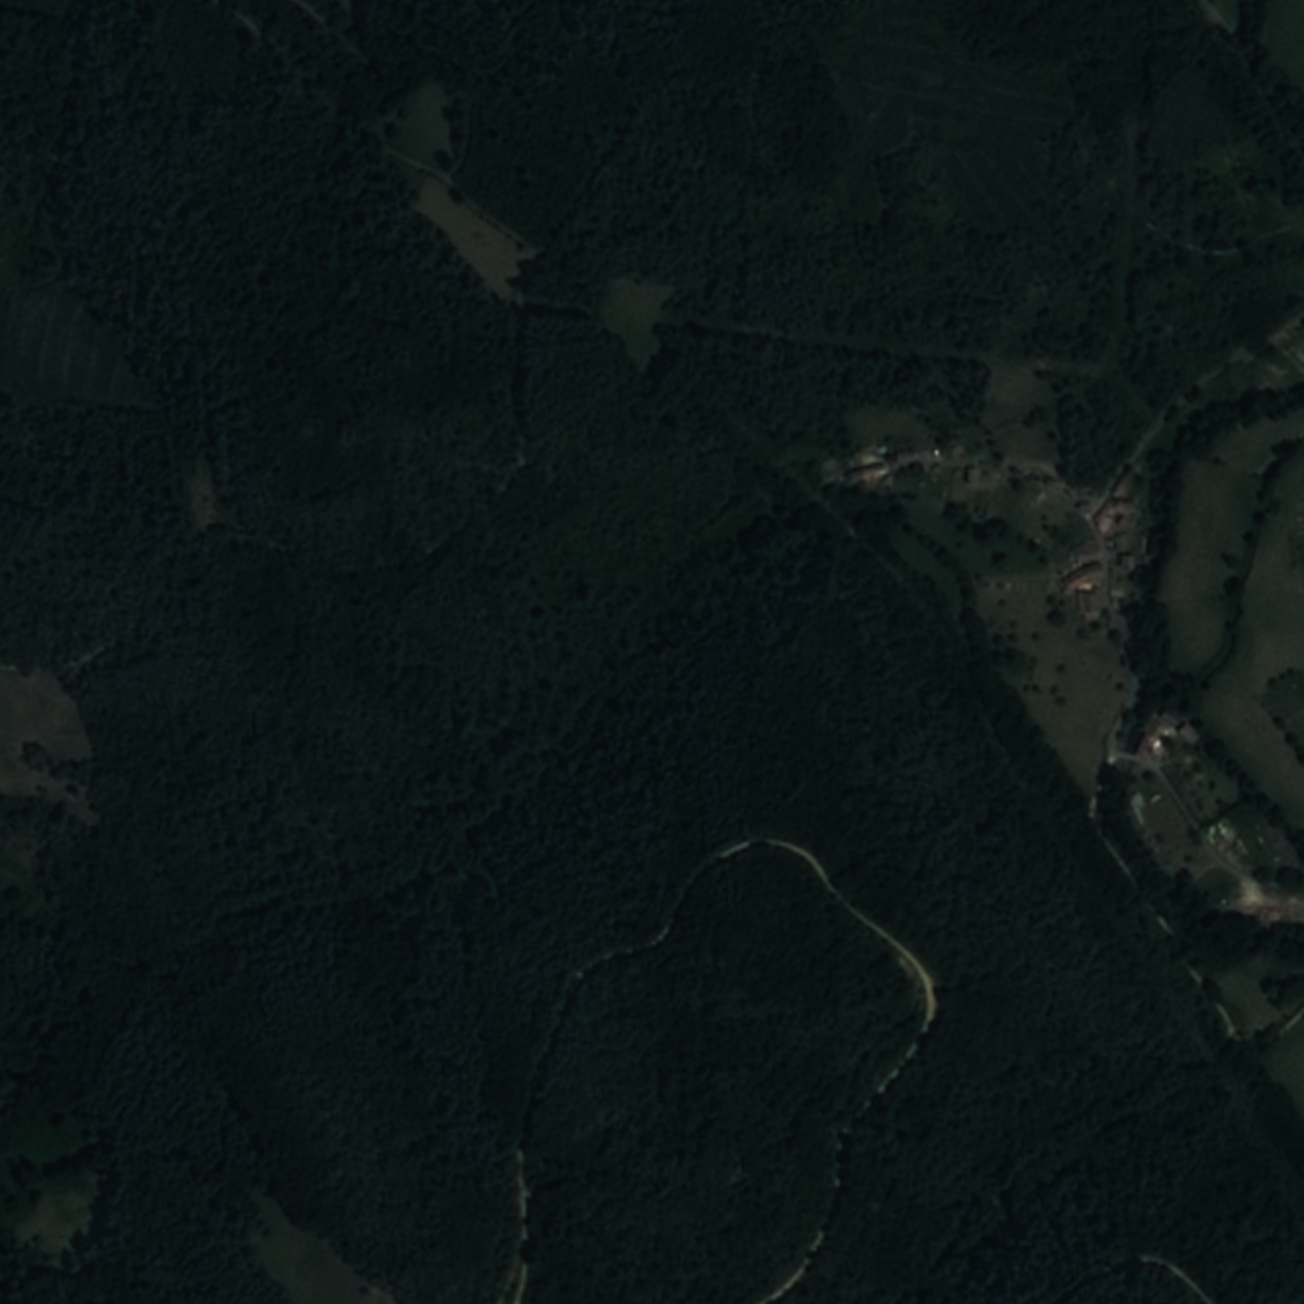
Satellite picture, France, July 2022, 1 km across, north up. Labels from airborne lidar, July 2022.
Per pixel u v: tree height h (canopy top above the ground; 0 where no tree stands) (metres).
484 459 7
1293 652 0
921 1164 32
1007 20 13
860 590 12
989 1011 21
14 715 0
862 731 14
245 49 9
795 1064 15
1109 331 7
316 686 16
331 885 30
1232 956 7
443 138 0
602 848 17
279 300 16
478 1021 23
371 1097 18
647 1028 14
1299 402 17
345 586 18
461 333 15
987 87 0
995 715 6
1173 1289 22
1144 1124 26
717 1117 19
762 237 9
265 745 25
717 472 7
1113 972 11
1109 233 11
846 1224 22
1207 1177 14
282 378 6
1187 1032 7
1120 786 24
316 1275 0
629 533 13
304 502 15
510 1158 32
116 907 20
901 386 25
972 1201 13
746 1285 13
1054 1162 30
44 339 0
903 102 0
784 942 9
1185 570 0
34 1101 23
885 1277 14
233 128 9
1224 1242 19
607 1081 15
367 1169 17
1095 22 22
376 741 17
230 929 22
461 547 16
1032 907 11
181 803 25
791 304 24
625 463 7
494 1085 28
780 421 14
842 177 17
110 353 0
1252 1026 0
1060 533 7
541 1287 19
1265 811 9
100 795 9
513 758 29
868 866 22
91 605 18
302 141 19
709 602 15
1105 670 0
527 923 14
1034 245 9
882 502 12
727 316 8
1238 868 0
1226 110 8
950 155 0
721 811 13
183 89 11
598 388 33
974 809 14
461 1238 19
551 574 12
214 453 10
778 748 6
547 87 6
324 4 13
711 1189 17
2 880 0
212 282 11
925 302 8
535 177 8
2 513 26
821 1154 25
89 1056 28
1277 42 0
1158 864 9
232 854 20
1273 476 12
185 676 18
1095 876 13
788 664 9
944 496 0
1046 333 10
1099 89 21
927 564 0
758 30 15
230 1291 31
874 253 13
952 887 16
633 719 15
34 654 15
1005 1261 7
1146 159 13
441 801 22
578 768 7
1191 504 0
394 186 16
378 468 13
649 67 15
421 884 12
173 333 17
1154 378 20
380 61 22
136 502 15
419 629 22
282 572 21
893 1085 11
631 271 23
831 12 13
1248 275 11
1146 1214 16
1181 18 15
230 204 10
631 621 16
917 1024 9
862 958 8
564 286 28
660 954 8
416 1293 8
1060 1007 6
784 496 21
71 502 18
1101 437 14
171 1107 32
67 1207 0
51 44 15
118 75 21
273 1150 29
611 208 16
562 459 7
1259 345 10
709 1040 10
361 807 21
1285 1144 11
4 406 18
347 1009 25
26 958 24
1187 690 16
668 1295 17
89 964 35
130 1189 22
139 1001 29
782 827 8
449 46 23
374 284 23
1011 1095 20
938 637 10
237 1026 18
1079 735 0
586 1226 13
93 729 10
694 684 14
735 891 11
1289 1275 23
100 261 15
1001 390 0
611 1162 13
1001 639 11
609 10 18
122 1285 23
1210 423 18
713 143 11
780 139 14
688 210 16
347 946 26
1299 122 22
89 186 19
